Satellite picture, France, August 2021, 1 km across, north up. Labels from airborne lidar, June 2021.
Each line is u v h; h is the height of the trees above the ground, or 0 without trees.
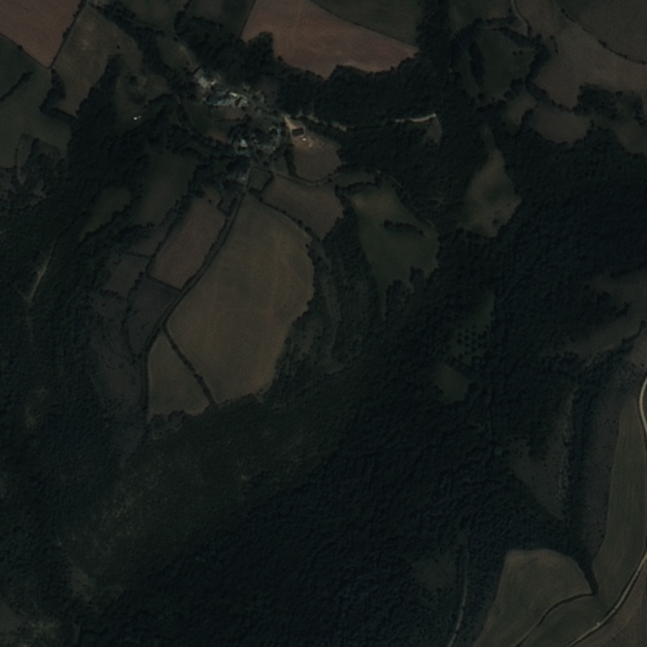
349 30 0
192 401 0
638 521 0
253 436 5
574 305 20
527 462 0
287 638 15
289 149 6
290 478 6
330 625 14
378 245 0
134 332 0
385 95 17
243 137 6
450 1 13
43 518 7
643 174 20
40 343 7
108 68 8
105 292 5
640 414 0
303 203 0
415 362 17
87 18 0
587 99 11
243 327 0
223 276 0
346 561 12
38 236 11
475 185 0
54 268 10
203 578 19
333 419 9
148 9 0
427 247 0
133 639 10
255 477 12
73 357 7
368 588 13
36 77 0
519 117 0
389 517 16
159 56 11
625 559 0
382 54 0
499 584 0
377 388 19
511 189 0
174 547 14
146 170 17
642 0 0
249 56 12
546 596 0
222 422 6
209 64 12
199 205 0
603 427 0
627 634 0
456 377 0
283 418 7
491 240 7
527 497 10
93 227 0
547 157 14
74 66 0
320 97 11
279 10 0
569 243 20
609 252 17
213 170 9
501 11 0
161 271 0
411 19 0
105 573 6
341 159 12
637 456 0
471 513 9
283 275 0
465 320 11
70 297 10
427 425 15
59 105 0
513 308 18
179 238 0
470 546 8
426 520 11
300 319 7
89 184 14
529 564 0
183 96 6
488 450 11
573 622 0
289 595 15
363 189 12
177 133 19
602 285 0
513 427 11
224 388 0
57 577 11
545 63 12
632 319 0
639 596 0
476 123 17
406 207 13
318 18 0
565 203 18
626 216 19
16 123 0
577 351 0
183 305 0
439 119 10
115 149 17
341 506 14
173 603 17
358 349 9
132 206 7
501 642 0
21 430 9
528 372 17
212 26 10
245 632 13
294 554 13
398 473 18
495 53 0
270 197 0
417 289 10
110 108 18
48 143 0
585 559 10
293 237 0
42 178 9
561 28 0
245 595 14
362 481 14
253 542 16
